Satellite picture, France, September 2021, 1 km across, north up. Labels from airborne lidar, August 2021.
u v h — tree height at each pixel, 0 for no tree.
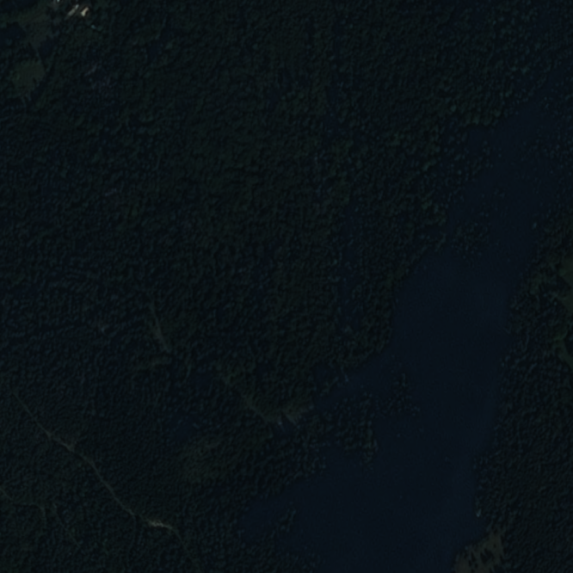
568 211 27
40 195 27
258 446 21
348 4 21
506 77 32
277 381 11
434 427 18
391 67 26
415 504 9
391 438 25
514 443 23
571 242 13
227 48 22
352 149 10
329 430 27
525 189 27
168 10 32
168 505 23
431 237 20
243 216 26
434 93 36
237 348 30
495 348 17
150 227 25
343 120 14
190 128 25
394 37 29
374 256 30
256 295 25
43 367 26
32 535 20
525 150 25
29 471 22
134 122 9
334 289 18
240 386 8
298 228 20
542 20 25
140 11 23
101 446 20
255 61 21
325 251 11
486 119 29
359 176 21
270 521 25
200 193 24
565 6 32
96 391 11
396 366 15
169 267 14
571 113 27
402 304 22
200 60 28
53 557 29
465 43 35
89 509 14
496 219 25
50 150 27
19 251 18
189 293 24
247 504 22
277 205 6
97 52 23
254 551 22
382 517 19
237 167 21
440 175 24
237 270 29
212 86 23
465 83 33
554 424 24
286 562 15
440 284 9
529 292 20
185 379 19
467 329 17
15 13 25
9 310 29
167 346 11
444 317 31
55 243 37
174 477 22
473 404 15
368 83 25
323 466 26
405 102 26
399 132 32
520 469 23
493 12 35
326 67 9
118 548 18
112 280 26
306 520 12
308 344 9
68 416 24
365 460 16
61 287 30
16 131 18
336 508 18
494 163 14
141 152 30
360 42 26
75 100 25
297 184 21
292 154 18
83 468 11
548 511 22
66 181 29
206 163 27
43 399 23
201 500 27
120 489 19
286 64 6
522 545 22
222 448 24
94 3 12
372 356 10
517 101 20
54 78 21
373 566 14
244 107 25
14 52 20
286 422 0
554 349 7
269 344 16
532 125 21
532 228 31
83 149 25
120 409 22
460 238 24
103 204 31
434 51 34
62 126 26
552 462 27
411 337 10
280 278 17
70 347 27
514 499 23
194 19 29
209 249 20
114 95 31
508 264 26
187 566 19
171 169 28
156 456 22
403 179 29
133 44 36
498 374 16
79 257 29
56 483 25
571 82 28
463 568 0
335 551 15
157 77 30
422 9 26
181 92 24
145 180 30
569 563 29
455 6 21
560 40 33
